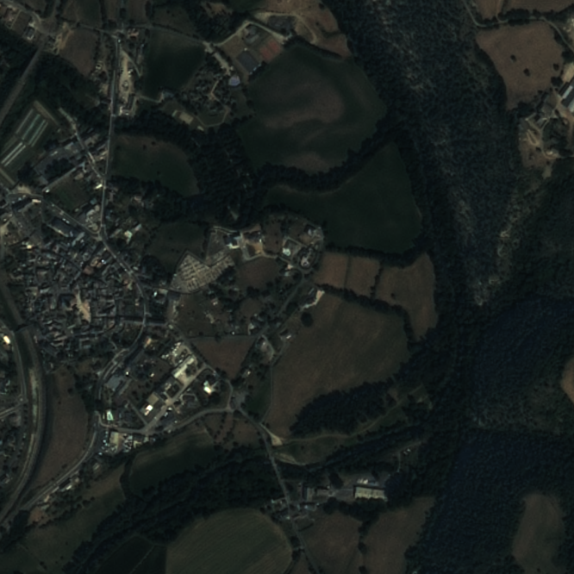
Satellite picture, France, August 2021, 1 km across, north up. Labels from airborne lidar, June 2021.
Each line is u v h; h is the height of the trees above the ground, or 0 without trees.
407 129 8
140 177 0
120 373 0
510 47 0
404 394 0
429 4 11
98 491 0
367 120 0
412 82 12
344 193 0
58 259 0
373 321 0
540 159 0
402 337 0
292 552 0
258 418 12
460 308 21
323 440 0
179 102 10
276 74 0
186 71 0
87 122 15
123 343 12
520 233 10
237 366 0
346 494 0
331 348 0
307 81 0
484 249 14
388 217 0
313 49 13
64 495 6
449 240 18
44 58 6
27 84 6
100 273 19
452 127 10
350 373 0
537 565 0
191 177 0
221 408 0
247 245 0
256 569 0
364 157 16
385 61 26
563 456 17
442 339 24
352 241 0
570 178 17
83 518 0
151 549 0
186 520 19
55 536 0
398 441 20
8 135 11
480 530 8
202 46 0
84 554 23
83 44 0
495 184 6
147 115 12
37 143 0
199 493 12
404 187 0
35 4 0
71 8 0
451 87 15
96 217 0
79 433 0
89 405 12
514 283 14
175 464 0
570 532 11
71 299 0
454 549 8
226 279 13
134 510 17
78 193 0
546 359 15
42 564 8
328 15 0
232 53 0
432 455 22
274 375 0
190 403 0
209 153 17
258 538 0
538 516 0
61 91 16
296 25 0
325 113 0
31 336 0
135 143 0
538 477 10
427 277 0
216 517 0
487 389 14
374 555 0
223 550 0
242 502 11
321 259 6
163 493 18
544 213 12
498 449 13
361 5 21
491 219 11
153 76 0
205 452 0
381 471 17
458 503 11
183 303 0
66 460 0
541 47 0
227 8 20
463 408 7
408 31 13
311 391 0
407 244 0
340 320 0
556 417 7
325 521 0
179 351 0
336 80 0
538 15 11
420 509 0
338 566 0
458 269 15
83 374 0
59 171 12
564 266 6
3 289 0
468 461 11
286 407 0
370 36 22
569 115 0
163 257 0
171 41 0
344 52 0
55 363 6
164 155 0
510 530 8
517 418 10
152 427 0
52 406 0
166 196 18
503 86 9
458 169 10
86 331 0
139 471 0
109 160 0
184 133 17
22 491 0
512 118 6
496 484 15
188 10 14
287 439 0
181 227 0
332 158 0
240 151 16
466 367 15
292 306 9
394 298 7
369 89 0
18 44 13
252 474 11
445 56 14
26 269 5
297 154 0
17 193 0
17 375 8
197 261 0
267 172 17
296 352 0
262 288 0
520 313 19
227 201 16
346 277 0
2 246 0
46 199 10
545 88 0
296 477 11
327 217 0
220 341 9
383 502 18
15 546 12
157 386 7
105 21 10
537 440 12
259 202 21
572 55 12
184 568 0
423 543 8
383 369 0
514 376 14
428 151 17
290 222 9
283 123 0
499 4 0
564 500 7
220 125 0
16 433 16
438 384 17
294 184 18
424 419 8
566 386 0
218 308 0
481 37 0
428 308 0
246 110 0
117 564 0
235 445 9
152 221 0
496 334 22
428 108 14
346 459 17
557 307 13
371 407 19
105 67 0
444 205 16
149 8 12
